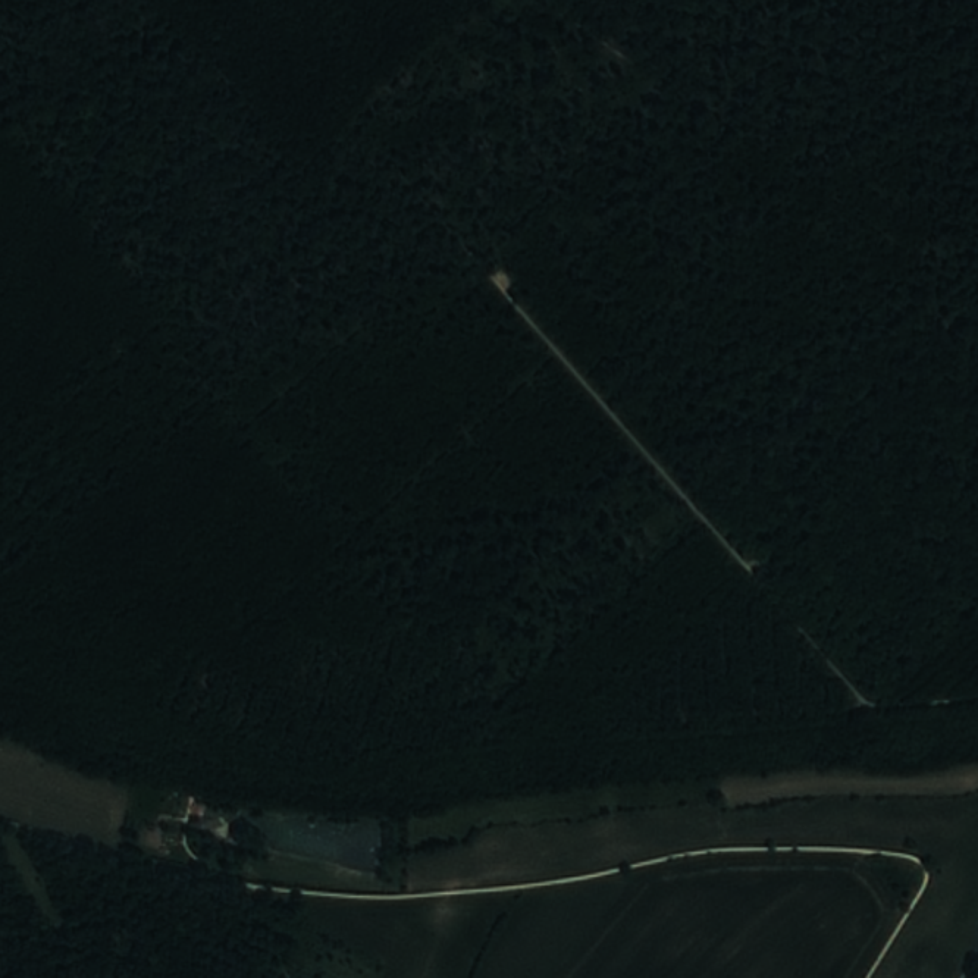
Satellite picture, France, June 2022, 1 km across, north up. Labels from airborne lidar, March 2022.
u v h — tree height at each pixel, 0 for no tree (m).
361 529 16
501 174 18
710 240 20
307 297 18
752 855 0
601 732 10
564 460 11
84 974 19
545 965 0
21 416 18
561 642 19
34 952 18
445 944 0
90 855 23
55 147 19
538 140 21
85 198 14
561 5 22
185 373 14
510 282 0
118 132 17
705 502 18
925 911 0
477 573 19
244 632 15
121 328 9
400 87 23
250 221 21
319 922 0
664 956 0
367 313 16
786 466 23
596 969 0
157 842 0
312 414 6
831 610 14
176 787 13
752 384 17
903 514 20
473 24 20
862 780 0
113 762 18
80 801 0
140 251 18
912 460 22
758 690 11
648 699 0
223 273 18
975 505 19
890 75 21
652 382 16
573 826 0
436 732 12
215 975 22
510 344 15
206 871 15
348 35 20
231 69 19
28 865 0
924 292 23
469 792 11
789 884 0
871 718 11
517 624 0
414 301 21
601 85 23
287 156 22
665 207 15
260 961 25
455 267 15
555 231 14
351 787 12
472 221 0
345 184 22
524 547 23
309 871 0
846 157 18
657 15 22
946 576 15
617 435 9
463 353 8
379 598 17
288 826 0
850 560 23
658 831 0
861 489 24
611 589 20
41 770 0
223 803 15
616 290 12
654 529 0
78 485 18
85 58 18
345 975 0
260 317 23
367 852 0
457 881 0
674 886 0
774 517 17
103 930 22
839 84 21
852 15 23
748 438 24
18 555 21
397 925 0
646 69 19
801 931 0
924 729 7
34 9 18
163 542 18
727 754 8
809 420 22
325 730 14
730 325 17
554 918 0
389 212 15
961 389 19
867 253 9
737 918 0
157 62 23
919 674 10
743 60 21
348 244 18
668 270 14
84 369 12
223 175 19
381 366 6
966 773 0
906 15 23
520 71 21
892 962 0
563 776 9
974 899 0
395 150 17
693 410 21
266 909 14
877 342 24
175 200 17
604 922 0
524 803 0
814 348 17
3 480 12
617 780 8
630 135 7
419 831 0
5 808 0
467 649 21
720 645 0
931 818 0
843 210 9
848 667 14
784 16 23
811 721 10
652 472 14
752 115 21
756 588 13
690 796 0
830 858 0
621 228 20
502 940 0
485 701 22
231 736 12
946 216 13
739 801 0
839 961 0
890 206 6
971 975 15
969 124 23
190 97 21
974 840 0
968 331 24
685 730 10
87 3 18
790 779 0
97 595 13
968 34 23
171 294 14
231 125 17
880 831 0
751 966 0
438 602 20
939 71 19
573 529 23
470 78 0
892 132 20
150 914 25
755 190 19
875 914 0
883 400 20
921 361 23
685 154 18
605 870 0
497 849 0
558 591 0
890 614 18
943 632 16
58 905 11
